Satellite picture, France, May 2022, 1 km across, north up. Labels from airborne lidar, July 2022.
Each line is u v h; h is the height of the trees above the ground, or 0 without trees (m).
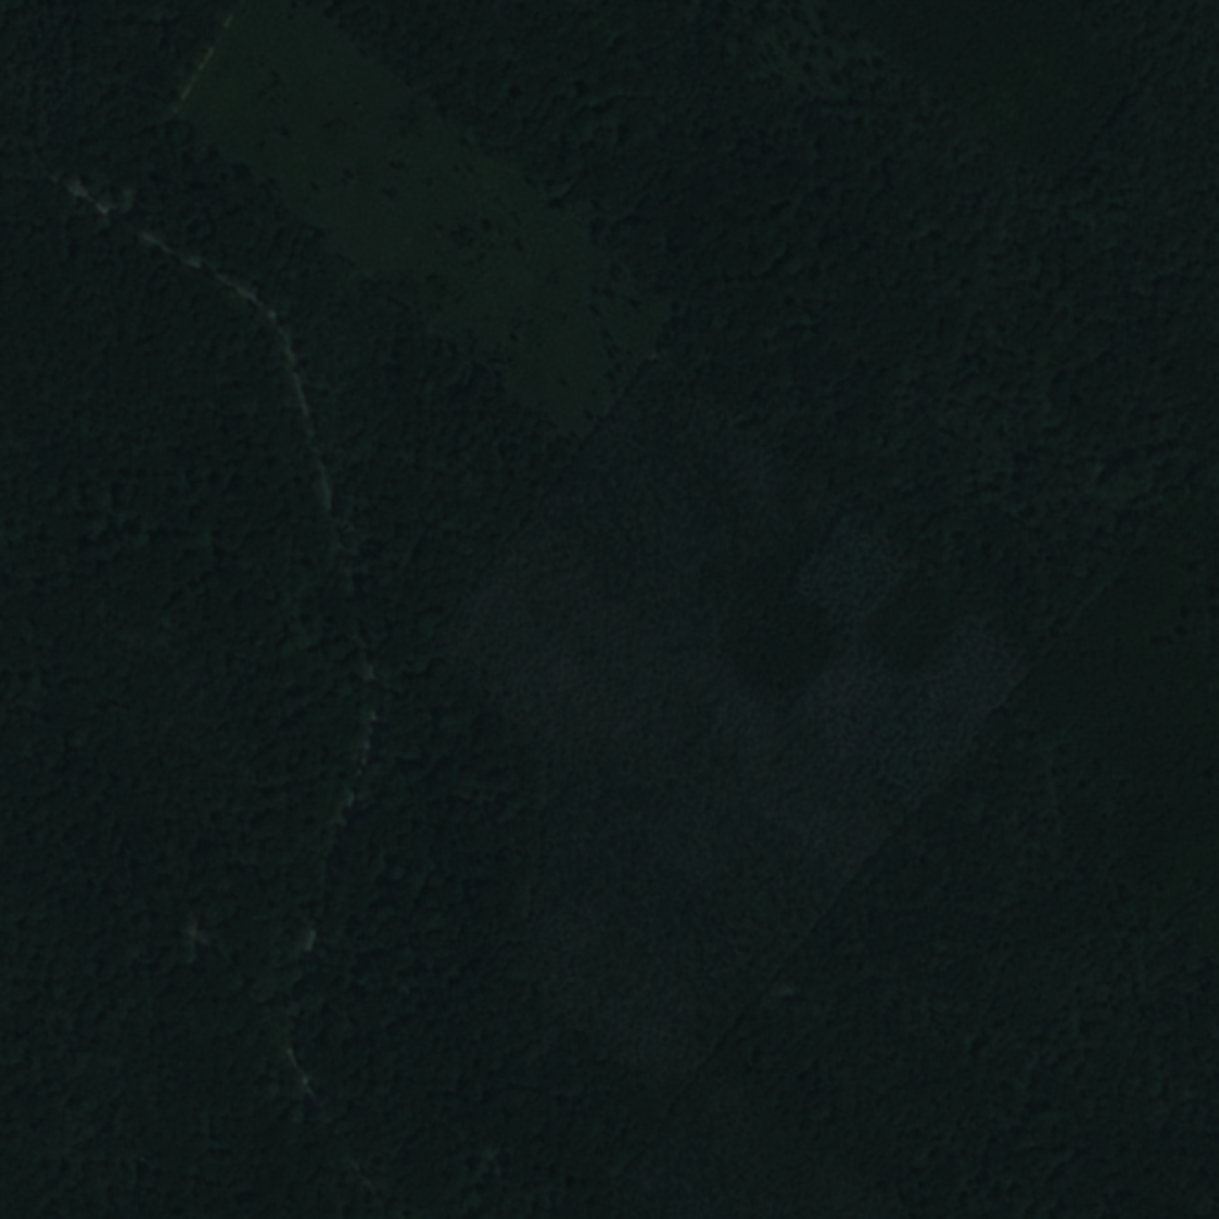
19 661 24
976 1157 18
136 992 18
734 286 21
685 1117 11
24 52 15
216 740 16
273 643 19
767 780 14
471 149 18
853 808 17
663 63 19
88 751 19
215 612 25
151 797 20
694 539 12
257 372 22
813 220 24
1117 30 9
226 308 19
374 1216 27
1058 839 9
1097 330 21
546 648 18
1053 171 7
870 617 15
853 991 16
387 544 20
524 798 16
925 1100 14
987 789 17
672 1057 11
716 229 21
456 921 22
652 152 22
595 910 14
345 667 19
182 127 24
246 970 23
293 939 24
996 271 17
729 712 15
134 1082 16
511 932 15
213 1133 18
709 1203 13
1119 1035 14
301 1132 24
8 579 23
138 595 22
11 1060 15
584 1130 21
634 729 12
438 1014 23
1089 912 16
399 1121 21
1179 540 8
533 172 25
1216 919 9
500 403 22
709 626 14
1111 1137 18
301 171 0
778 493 14
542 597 14
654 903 11
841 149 21
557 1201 18
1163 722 6
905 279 22
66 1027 13
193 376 21
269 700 18
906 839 13
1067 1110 22
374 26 20
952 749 26
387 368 16
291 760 17
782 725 14
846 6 8
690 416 11
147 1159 23
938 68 8
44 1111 17
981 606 14
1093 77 6
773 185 27
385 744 23
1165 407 17
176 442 24
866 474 20
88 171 21
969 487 11
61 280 23
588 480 13
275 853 24
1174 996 18
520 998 17
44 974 8
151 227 24
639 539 10
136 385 19
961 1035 13
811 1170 10
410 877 28
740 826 13
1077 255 19
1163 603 10
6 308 22
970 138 14
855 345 21
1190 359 16
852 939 14
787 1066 17
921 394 21
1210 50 20
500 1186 21
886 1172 17
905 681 17
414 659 24
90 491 24
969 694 16
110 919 14
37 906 16
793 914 10
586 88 23
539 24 20
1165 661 11
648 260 16
